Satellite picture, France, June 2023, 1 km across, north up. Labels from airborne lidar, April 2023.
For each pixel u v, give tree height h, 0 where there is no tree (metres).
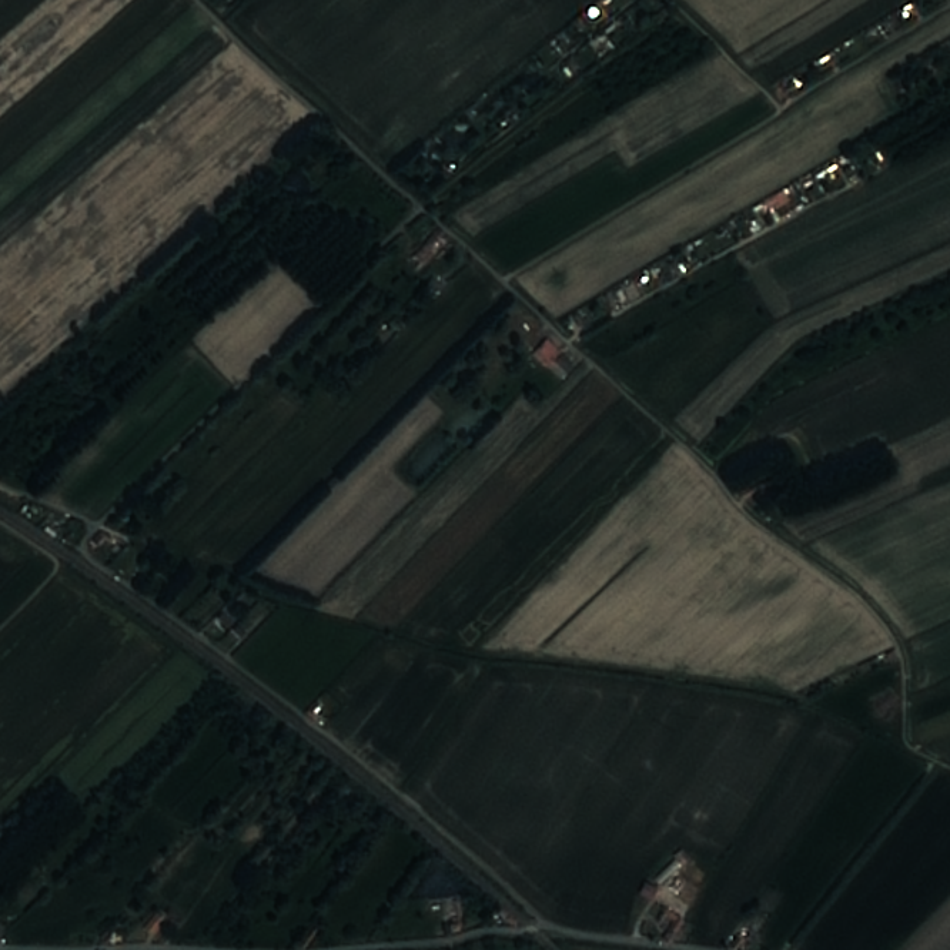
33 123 0
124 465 0
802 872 0
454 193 8
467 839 0
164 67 0
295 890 0
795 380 0
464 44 0
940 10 0
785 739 0
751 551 0
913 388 0
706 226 0
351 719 0
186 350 0
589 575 0
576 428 0
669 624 0
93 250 0
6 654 0
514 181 0
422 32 0
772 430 0
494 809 0
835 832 0
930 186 0
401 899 16
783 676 0
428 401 0
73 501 0
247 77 0
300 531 0
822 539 0
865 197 0
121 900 0
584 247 0
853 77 0
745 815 0
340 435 0
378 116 0
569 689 0
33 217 0
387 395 0
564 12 0
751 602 0
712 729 0
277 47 0
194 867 0
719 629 0
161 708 0
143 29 0
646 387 0
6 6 0
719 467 0
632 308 0
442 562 0
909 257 0
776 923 0
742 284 0
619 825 0
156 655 0
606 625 0
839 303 0
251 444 0
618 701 0
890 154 7
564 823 0
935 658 0
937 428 0
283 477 0
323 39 0
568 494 0
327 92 0
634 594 0
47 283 0
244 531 0
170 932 13
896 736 0
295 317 0
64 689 0
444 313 0
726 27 0
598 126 0
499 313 12
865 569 0
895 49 0
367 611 0
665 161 0
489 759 0
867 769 0
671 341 0
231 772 0
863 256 0
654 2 0
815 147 0
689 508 0
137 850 0
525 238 0
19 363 0
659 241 0
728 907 0
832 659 0
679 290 0
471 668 0
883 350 0
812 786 0
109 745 0
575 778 0
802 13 0
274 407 0
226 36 0
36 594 0
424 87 0
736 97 0
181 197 0
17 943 0
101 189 0
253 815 0
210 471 0
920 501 0
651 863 0
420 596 0
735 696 0
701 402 0
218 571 15
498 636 0
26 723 0
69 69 0
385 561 0
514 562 0
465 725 0
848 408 0
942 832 0
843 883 0
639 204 0
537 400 20
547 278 0
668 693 0
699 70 0
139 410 0
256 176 15
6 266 0
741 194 0
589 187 0
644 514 0
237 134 0
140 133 0
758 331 0
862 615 0
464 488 0
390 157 0
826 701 0
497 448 0
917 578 0
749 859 0
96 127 0
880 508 0
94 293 0
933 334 0
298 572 0
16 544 0
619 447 0
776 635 0
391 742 0
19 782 0
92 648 0
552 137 0
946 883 0
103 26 0
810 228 0
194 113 0
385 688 0
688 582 0
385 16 0
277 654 0
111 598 0
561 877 0
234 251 7
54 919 0
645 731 0
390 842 0
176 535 0
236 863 0
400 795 0
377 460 0
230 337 0
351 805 20
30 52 0
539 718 0
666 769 0
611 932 0
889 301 8
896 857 0
